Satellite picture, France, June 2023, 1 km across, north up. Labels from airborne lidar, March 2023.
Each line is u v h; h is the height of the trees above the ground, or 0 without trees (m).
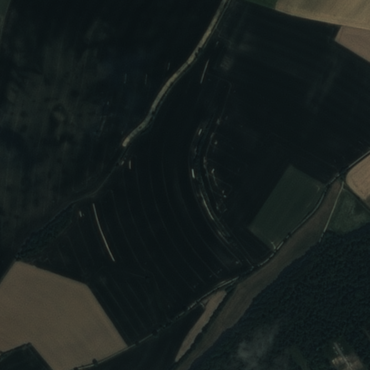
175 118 0
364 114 0
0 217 0
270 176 0
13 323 0
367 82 0
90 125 0
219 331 0
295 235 0
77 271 0
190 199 0
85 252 0
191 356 0
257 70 0
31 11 0
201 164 0
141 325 0
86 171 0
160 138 0
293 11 0
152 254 0
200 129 0
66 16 0
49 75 0
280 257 0
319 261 7
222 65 0
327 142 0
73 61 0
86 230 0
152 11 0
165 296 0
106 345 0
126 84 0
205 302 0
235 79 0
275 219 0
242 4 0
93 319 0
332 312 21
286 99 0
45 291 0
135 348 0
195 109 0
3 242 0
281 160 0
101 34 0
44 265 0
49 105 0
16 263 0
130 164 0
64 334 0
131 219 0
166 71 0
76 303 0
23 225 0
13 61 0
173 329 0
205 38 0
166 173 0
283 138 0
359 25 0
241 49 0
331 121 0
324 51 0
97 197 0
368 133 0
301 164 0
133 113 0
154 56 0
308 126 0
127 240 0
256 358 19
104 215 0
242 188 0
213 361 22
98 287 0
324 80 0
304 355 14
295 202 0
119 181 0
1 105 0
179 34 0
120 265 0
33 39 0
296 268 24
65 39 0
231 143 0
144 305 0
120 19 0
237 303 0
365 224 0
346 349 0
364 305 21
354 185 0
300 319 17
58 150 0
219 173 0
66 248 0
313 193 0
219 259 0
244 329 25
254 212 0
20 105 0
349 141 0
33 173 0
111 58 0
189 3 0
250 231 0
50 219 0
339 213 0
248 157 0
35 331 0
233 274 0
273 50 0
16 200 0
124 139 0
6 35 0
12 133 0
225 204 0
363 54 0
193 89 0
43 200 0
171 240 0
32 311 0
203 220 0
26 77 0
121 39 0
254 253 0
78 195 0
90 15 0
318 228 0
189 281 0
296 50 0
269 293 20
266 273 0
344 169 9
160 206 0
